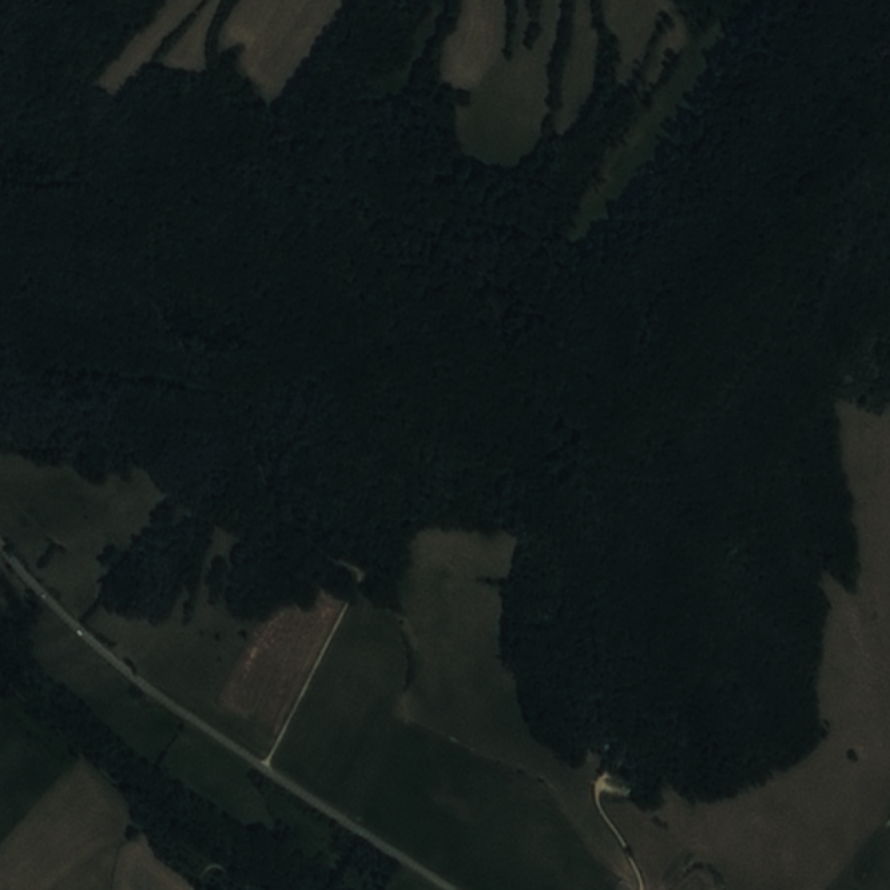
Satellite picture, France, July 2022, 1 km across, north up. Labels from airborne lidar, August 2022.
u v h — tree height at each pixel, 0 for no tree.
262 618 14
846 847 0
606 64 20
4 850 0
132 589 16
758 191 22
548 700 18
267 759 0
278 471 11
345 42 20
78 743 17
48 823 0
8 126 11
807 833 0
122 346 19
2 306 16
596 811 0
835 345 20
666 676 23
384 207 20
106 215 17
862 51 18
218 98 15
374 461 16
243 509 17
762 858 0
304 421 23
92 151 15
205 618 0
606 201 0
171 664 0
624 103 21
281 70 0
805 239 11
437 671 0
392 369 18
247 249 15
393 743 0
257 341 14
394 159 22
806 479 16
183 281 13
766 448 21
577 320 17
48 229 17
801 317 11
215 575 15
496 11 0
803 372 20
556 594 9
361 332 17
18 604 7
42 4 10
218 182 17
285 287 15
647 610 21
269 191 16
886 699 0
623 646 19
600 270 20
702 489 22
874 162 10
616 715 13
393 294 14
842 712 0
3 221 17
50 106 11
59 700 15
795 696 17
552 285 23
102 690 0
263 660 0
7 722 0
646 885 0
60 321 22
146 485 0
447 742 0
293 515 9
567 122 0
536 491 20
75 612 0
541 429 20
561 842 0
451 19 16
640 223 26
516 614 21
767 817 0
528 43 10
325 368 20
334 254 15
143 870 0
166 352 18
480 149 0
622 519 12
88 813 0
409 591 0
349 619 0
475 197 24
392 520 14
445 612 0
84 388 13
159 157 17
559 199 22
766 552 21
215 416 14
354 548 12
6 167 9
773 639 18
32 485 0
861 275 15
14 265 15
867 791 0
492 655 0
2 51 12
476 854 0
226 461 18
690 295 22
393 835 0
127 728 0
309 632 0
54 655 0
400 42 20
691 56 0
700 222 17
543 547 7
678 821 0
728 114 24
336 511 16
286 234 16
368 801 0
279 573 18
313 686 0
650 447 10
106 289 15
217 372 18
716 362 12
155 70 13
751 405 16
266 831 18
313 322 14
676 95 0
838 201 13
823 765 0
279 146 23
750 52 20
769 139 15
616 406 22
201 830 20
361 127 23
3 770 0
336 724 0
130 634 0
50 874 0
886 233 14
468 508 18
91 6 13
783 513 18
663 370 16
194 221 14
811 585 16
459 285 22
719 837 0
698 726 17
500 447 15
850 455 0
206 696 0
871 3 16
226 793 0
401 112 22
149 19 13
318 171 18
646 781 12
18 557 7
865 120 19
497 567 0
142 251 12
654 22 0
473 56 0
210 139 17
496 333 18
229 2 7
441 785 0
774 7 32
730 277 20
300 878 18
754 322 11
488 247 24
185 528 18
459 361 16
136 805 14
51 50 21
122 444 12
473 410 15
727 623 19
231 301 11
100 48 12
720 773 15
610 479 13
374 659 0
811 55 18
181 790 25
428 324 18
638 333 22
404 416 11
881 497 0
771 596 19
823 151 27
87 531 0
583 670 12
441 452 12
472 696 0
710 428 13
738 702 20
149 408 20
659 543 18
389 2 23
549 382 17
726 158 21
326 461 16
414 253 18
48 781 0
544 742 19
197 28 0
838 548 23
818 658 15
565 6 13
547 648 17
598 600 15
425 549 0
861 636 0
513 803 0
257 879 16
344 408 18
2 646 26
